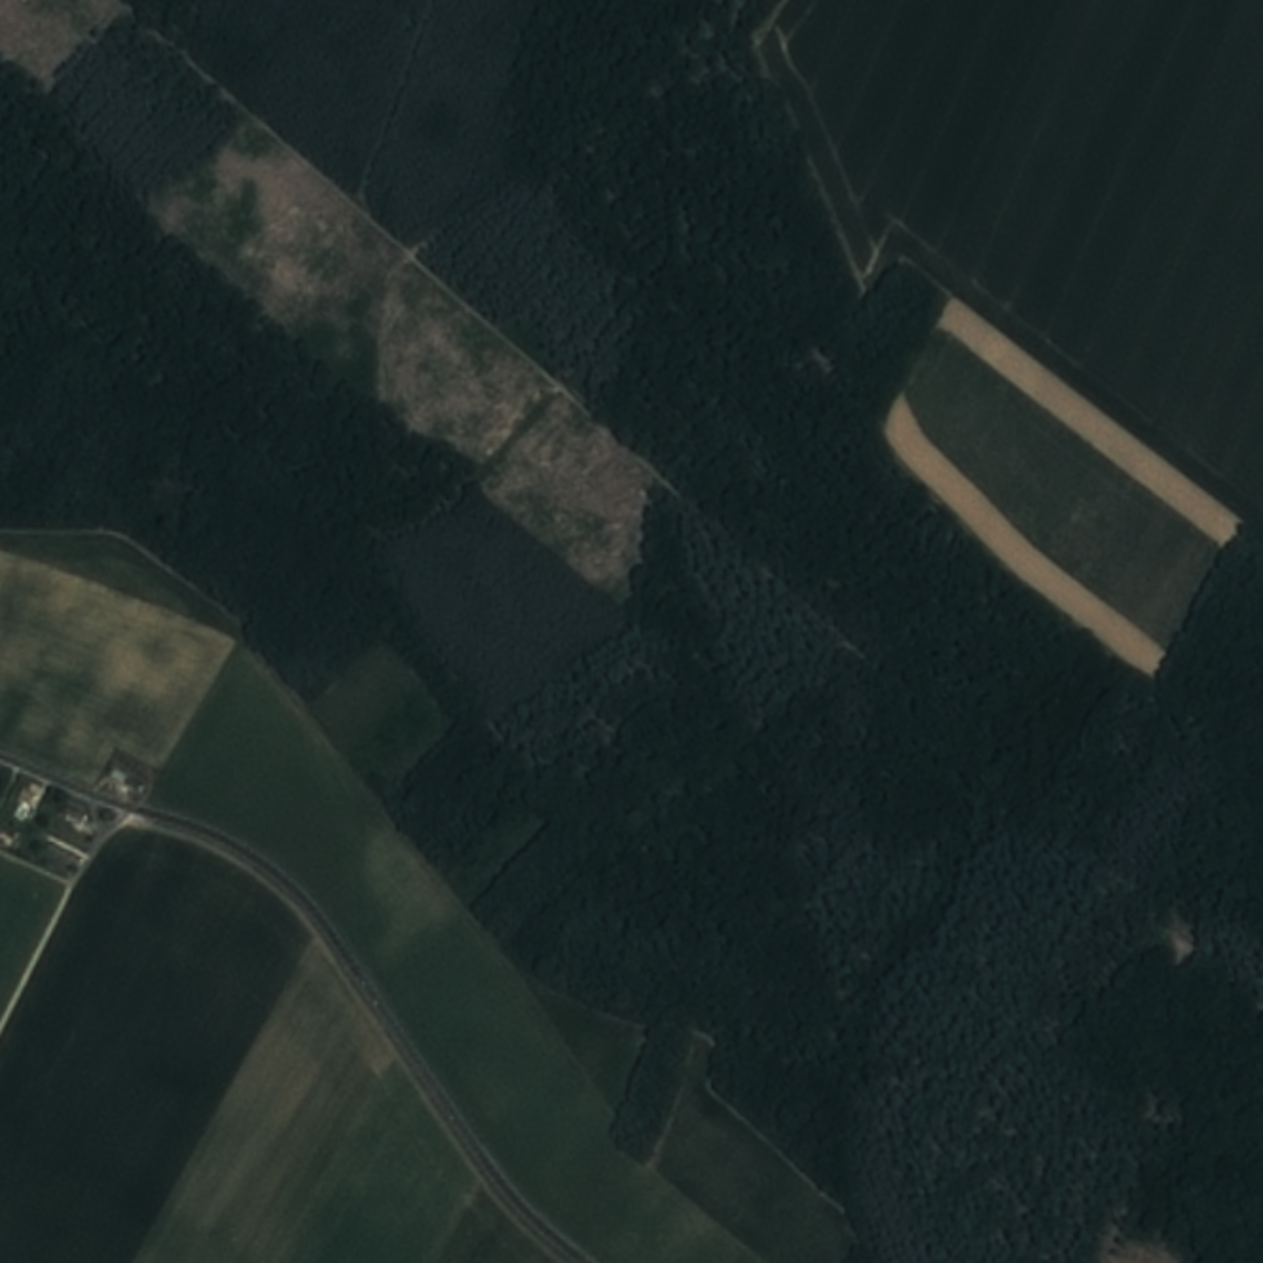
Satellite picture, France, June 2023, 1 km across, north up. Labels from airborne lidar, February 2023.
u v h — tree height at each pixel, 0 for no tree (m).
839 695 17
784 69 0
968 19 0
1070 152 0
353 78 11
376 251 0
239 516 20
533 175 13
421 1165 0
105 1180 0
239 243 0
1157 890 20
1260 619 22
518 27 10
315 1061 0
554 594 12
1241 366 0
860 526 20
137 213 14
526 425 0
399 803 9
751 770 21
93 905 0
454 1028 0
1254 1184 22
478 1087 0
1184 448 0
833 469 21
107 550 0
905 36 0
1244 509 0
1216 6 0
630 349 19
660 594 19
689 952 21
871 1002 11
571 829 17
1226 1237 17
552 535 0
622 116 20
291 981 0
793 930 20
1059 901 28
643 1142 15
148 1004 0
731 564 23
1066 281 0
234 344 15
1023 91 0
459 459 10
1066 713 8
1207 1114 18
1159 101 0
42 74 0
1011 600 19
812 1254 0
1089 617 0
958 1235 23
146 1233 0
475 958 0
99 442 19
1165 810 19
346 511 19
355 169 9
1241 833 23
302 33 12
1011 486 0
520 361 0
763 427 20
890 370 20
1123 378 0
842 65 0
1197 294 0
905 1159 18
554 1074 0
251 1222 0
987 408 0
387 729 0
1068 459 0
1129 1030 20
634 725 20
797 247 19
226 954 0
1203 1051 17
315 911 0
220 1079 0
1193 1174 20
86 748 0
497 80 11
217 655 0
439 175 12
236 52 11
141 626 0
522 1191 0
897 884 30
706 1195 0
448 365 0
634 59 14
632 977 21
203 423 17
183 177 17
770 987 20
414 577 13
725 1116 0
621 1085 0
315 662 17
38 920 0
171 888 0
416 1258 0
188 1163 0
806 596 19
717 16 24
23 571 0
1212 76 0
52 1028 0
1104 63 0
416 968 0
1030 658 20
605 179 18
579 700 21
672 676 19
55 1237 0
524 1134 0
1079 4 0
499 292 15
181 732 0
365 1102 0
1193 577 0
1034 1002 19
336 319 0
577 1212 0
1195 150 0
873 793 16
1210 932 25
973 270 0
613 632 13
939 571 19
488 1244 0
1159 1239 18
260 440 20
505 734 25
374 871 0
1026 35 0
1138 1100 21
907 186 0
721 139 12
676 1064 15
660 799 20
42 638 0
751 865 20
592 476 0
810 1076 12
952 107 0
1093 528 0
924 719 18
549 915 11
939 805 21
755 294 19
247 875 0
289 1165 0
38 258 20
